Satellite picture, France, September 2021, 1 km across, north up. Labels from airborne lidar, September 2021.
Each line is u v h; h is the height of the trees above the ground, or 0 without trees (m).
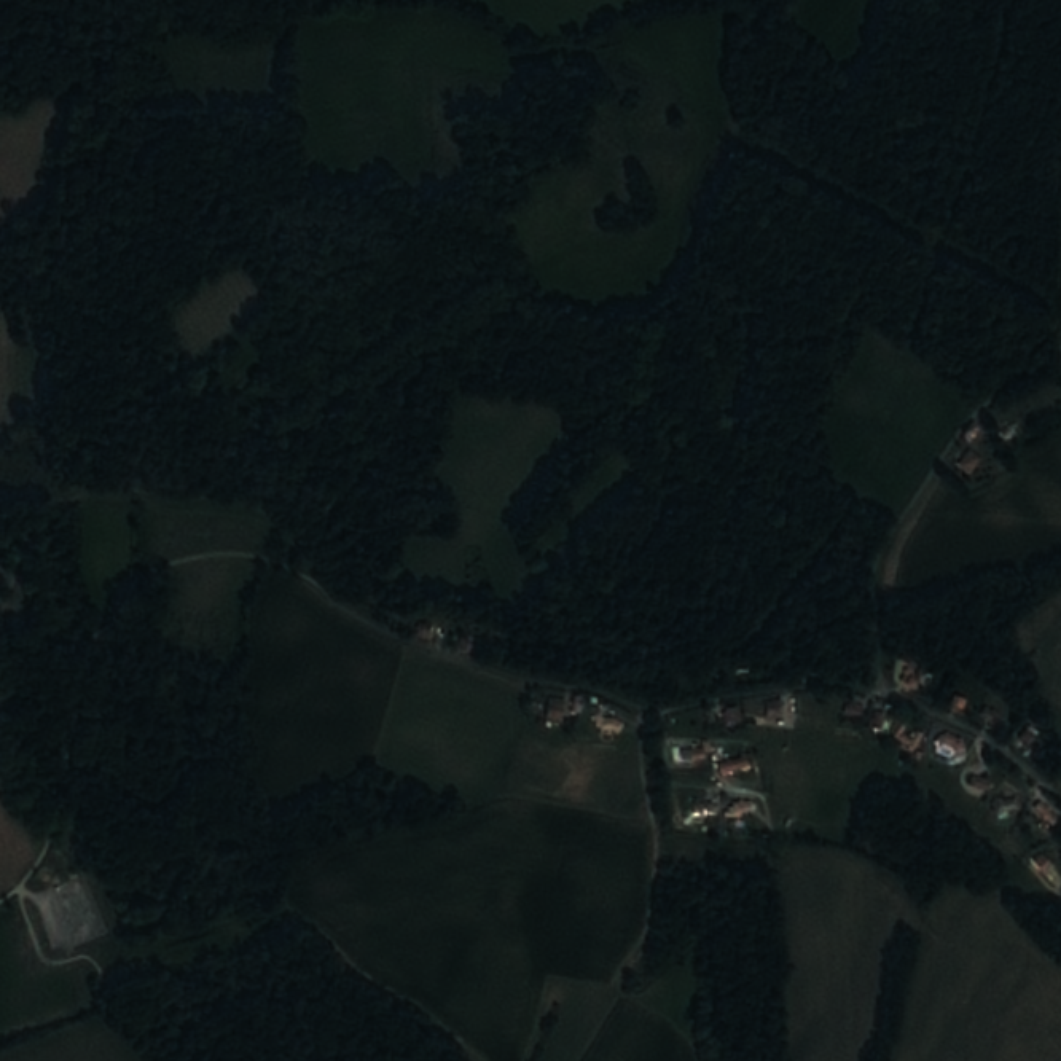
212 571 0
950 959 0
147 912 25
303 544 14
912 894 14
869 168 26
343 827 20
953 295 29
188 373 23
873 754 0
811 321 25
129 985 27
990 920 0
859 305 20
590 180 0
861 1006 0
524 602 11
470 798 0
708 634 23
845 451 0
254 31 10
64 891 0
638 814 0
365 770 17
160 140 29
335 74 0
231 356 12
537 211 0
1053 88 23
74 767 15
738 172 26
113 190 26
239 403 12
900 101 24
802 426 27
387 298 21
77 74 25
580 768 0
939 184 22
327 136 0
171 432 21
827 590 25
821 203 26
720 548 23
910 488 0
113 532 0
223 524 0
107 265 22
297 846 26
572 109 27
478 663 12
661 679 16
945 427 0
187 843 25
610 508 22
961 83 24
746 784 0
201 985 26
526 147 24
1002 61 17
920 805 19
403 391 13
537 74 23
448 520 23
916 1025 0
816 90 15
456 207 22
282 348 21
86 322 29
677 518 26
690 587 23
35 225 28
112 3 22
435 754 0
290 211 24
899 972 18
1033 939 16
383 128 0
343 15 20
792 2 17
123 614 27
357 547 19
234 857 18
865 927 0
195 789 29
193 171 27
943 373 13
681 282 22
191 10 24
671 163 0
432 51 0
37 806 16
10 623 12
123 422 19
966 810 0
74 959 0
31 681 18
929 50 29
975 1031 0
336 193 21
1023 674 23
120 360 26
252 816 27
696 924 25
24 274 30
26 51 26
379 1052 35
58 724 26
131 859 24
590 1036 0
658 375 25
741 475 8
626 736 0
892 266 22
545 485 23
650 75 0
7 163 0
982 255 20
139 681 27
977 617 23
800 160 19
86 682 25
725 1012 27
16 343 9
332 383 34
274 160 23
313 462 17
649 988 0
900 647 13
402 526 25
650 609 18
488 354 27
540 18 0
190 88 0
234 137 21
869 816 22
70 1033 0
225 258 25
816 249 20
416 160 0
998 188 27
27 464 0
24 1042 8
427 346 32
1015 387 17
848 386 0
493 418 0
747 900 25
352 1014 26
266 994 15
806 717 0
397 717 0
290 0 27
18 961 0
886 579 0
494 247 30
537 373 24
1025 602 18
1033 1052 0
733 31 20
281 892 16
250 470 21
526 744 0
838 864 0
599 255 0
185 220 22
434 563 0
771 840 15
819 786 0
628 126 0
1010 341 24
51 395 29
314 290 23
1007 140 27
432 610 10
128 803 24
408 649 0
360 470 10
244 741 17
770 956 21
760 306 25
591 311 12
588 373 15
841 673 7
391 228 17
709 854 0
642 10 14
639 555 25
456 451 0
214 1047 29
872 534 14
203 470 20
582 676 9
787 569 19
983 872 22
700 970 10
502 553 0
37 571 24
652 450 29
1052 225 25
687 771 0
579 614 25
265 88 0
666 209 0
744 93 19
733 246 25
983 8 22
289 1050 22
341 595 18
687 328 22
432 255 26
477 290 37
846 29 0
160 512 0
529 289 18
